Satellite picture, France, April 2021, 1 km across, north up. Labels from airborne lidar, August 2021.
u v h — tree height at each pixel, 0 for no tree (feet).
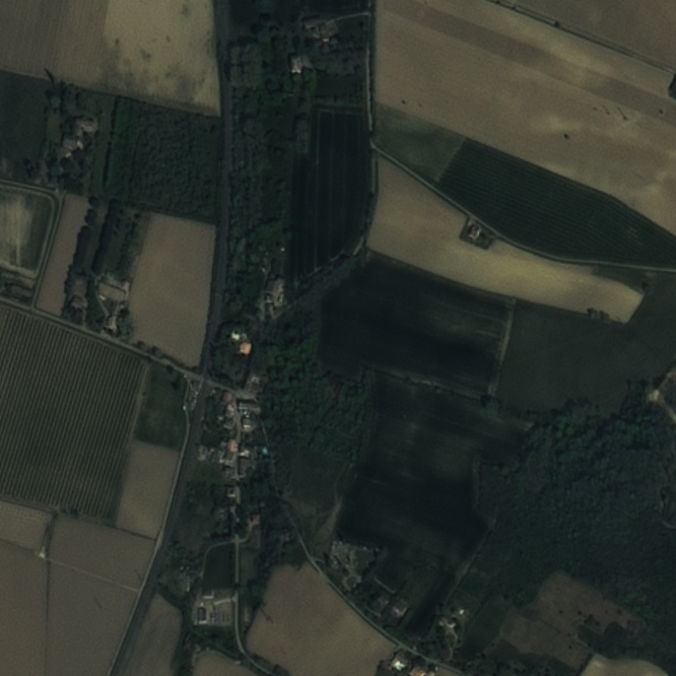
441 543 0
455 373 0
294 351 32
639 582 28
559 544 24
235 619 0
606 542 24
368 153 0
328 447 23
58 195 0
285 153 21
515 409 0
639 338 0
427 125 0
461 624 21
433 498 0
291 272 0
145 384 0
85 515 0
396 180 0
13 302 0
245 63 95
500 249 0
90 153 35
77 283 34
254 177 77
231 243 49
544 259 0
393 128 0
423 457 0
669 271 0
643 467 64
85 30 0
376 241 0
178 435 0
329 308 0
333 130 0
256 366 55
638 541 23
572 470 22
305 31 26
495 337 0
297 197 0
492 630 0
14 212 0
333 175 0
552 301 0
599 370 0
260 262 55
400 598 26
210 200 24
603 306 0
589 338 0
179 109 0
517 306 0
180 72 0
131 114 47
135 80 0
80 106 24
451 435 0
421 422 0
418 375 0
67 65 0
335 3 0
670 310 0
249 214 52
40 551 0
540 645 0
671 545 20
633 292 0
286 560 32
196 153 39
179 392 68
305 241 0
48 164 18
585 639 0
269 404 28
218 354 87
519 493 19
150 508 0
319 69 52
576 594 0
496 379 0
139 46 0
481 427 0
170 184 20
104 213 0
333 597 0
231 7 0
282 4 0
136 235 36
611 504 47
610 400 0
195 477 0
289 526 56
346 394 22
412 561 0
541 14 0
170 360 0
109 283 23
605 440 57
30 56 0
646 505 44
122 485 0
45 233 0
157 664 0
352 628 0
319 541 0
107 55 0
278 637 0
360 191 0
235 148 20
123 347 0
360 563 0
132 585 0
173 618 0
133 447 0
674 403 55
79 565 0
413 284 0
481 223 0
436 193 0
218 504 22
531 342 0
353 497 0
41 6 0
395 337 0
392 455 0
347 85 0
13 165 0
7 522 0
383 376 0
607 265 0
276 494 23
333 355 0
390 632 49
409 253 0
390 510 0
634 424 31
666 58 0
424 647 23
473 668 33
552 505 38
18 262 0
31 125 0
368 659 0
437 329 0
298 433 34
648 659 38
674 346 0
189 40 0
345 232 0
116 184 41
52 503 0
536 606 0
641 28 0
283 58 31
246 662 58
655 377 0
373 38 40
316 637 0
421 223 0
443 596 0
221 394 36
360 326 0
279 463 31
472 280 0
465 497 0
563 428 46
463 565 0
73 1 0
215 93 0
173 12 0
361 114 0
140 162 28
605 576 18
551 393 0
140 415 0
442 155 0
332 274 51
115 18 0
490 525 0
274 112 0
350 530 0
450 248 0
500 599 0
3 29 0
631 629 40
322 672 0
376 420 0
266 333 56
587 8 0
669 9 0
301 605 0
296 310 46
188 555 34
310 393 19
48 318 0
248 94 36
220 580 0
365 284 0
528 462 60
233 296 50
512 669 38
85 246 51
